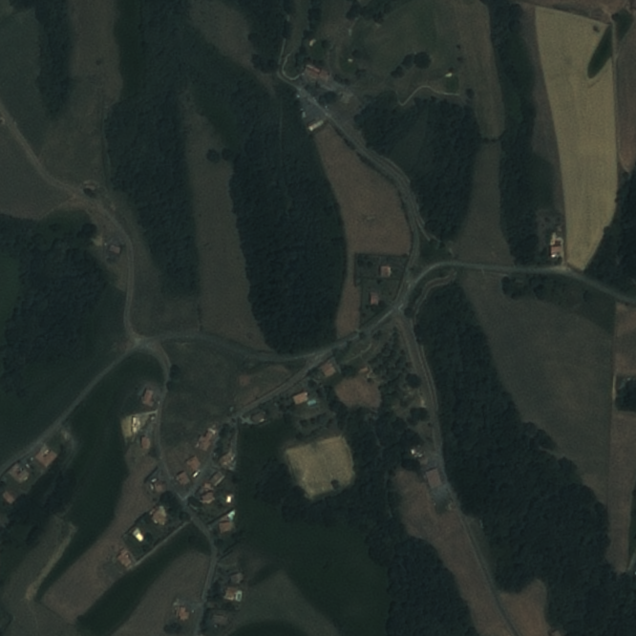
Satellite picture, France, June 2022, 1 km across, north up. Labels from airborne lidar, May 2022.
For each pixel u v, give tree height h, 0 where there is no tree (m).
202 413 0
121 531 0
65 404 0
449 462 21
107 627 0
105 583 0
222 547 21
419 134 0
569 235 0
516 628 0
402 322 0
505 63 8
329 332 7
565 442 0
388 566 10
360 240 0
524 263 9
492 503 14
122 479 0
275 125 6
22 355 22
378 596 0
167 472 0
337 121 0
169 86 8
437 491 0
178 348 0
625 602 29
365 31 0
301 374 0
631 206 19
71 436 0
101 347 0
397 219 0
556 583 11
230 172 0
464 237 0
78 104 0
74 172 0
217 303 0
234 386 0
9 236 6
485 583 0
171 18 9
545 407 0
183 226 7
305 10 0
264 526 0
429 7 0
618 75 0
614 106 0
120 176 9
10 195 0
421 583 17
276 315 19
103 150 0
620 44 0
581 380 0
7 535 11
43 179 0
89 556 0
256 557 0
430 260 0
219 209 0
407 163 0
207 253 0
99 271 10
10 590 0
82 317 10
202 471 0
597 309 0
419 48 0
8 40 0
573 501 24
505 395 9
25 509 18
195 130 0
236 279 0
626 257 17
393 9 11
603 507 14
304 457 0
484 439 23
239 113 9
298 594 0
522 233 7
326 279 7
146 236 6
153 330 0
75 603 0
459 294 10
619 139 0
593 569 28
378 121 13
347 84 7
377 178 0
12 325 13
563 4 0
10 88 0
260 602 0
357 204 0
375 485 27
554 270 0
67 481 20
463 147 10
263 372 0
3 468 0
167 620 0
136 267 0
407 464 20
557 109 0
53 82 6
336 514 18
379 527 16
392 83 0
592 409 0
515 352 0
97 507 0
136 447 0
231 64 0
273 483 14
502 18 16
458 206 11
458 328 17
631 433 0
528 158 21
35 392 0
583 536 18
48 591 0
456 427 24
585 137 0
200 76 9
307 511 22
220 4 0
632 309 0
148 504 0
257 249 13
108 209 0
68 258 9
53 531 0
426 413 16
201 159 0
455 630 6
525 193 18
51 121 0
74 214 0
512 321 0
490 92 0
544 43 0
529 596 0
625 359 0
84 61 0
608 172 0
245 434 0
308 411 0
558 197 0
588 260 0
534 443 16
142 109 9
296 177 6
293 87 0
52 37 13
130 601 0
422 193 11
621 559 0
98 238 0
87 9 0
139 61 0
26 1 15
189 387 0
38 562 0
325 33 0
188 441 0
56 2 8
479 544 0
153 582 0
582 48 0
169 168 18
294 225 14
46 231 0
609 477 0
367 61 0
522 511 23
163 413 0
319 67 5
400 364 8
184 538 0
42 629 0
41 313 14
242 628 0
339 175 0
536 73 0
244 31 0
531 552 7
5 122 0
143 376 0
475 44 0
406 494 0
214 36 0
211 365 0
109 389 0
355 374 16
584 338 0
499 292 0
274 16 8
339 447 0
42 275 14
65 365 0
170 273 10
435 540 0
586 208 0
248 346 0
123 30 0
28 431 0
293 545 0
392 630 22
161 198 12
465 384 18
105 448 0
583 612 11
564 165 0
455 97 0
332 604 0
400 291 0
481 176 0
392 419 18
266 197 21
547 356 0
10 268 0
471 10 0
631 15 0
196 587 0
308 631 0
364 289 0
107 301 0
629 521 0
